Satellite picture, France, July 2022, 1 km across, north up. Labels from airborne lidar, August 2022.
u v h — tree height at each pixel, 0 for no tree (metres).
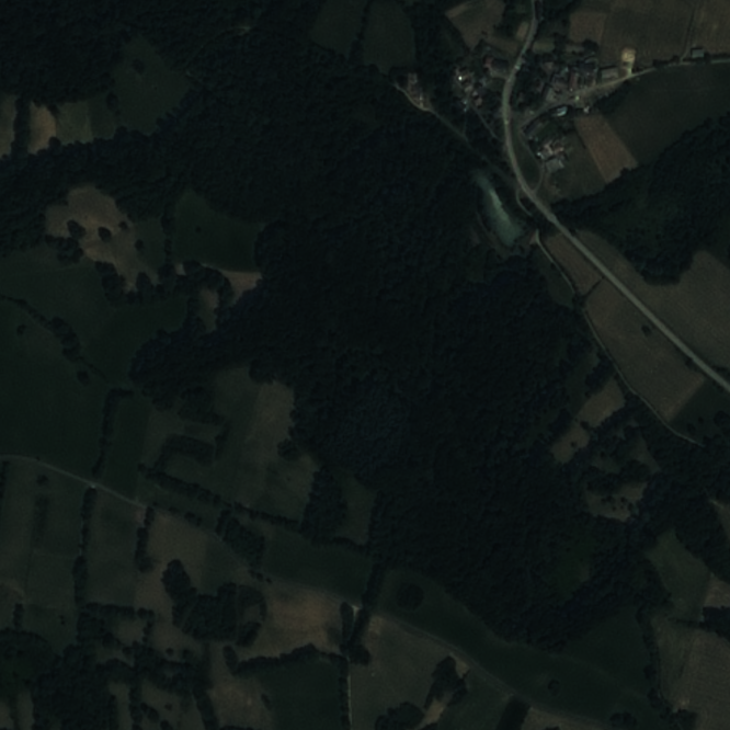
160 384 16
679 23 0
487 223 19
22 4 18
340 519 17
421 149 22
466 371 27
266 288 24
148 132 0
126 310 0
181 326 0
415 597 7
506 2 8
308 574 0
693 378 0
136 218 12
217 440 7
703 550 16
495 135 8
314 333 29
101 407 0
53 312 0
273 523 11
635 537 23
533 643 13
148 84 0
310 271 25
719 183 6
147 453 0
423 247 23
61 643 0
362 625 11
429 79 7
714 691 0
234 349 26
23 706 0
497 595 31
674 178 11
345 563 0
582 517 17
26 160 20
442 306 28
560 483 23
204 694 15
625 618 0
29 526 0
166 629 0
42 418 0
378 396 26
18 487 0
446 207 24
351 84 14
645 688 0
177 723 0
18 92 18
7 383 0
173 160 18
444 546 29
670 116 0
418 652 0
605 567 13
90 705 15
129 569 0
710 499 6
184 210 0
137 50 0
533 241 0
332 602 0
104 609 11
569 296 0
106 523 0
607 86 0
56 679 16
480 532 34
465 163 16
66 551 0
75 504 0
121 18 20
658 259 8
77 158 28
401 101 10
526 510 23
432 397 31
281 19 27
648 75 0
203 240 0
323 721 0
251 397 0
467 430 25
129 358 0
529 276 18
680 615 0
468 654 0
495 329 29
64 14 29
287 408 0
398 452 27
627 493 0
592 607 27
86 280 0
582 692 0
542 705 0
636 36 0
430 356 29
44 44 32
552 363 28
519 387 27
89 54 22
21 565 0
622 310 0
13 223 20
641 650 0
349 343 23
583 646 0
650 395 0
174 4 7
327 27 0
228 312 20
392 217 21
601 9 0
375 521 13
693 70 0
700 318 0
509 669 0
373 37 0
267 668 20
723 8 0
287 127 20
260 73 18
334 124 14
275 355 15
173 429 0
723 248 0
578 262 0
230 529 11
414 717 6
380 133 16
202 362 22
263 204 19
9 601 0
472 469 28
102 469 12
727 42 0
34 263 0
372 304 32
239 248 0
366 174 18
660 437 12
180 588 12
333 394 21
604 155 0
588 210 12
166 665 15
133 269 0
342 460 26
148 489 0
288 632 0
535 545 27
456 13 0
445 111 8
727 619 20
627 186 8
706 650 0
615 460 19
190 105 24
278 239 24
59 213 0
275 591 0
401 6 10
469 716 0
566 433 13
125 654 13
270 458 0
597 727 0
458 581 24
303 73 7
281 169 22
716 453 14
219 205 17
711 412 0
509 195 7
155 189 15
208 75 14
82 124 0
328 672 0
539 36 6
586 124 0
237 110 22
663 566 0
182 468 0
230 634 11
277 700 0
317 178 21
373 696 0
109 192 9
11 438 0
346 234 28
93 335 0
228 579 0
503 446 29
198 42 13
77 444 0
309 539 16
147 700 0
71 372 0
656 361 0
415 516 21
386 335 28
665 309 0
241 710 0
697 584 0
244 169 18
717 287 0
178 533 0
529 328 25
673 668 0
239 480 0
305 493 0
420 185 25
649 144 0
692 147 9
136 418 0
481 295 27
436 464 30
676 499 26
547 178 0
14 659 8
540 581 25
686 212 15
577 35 0
